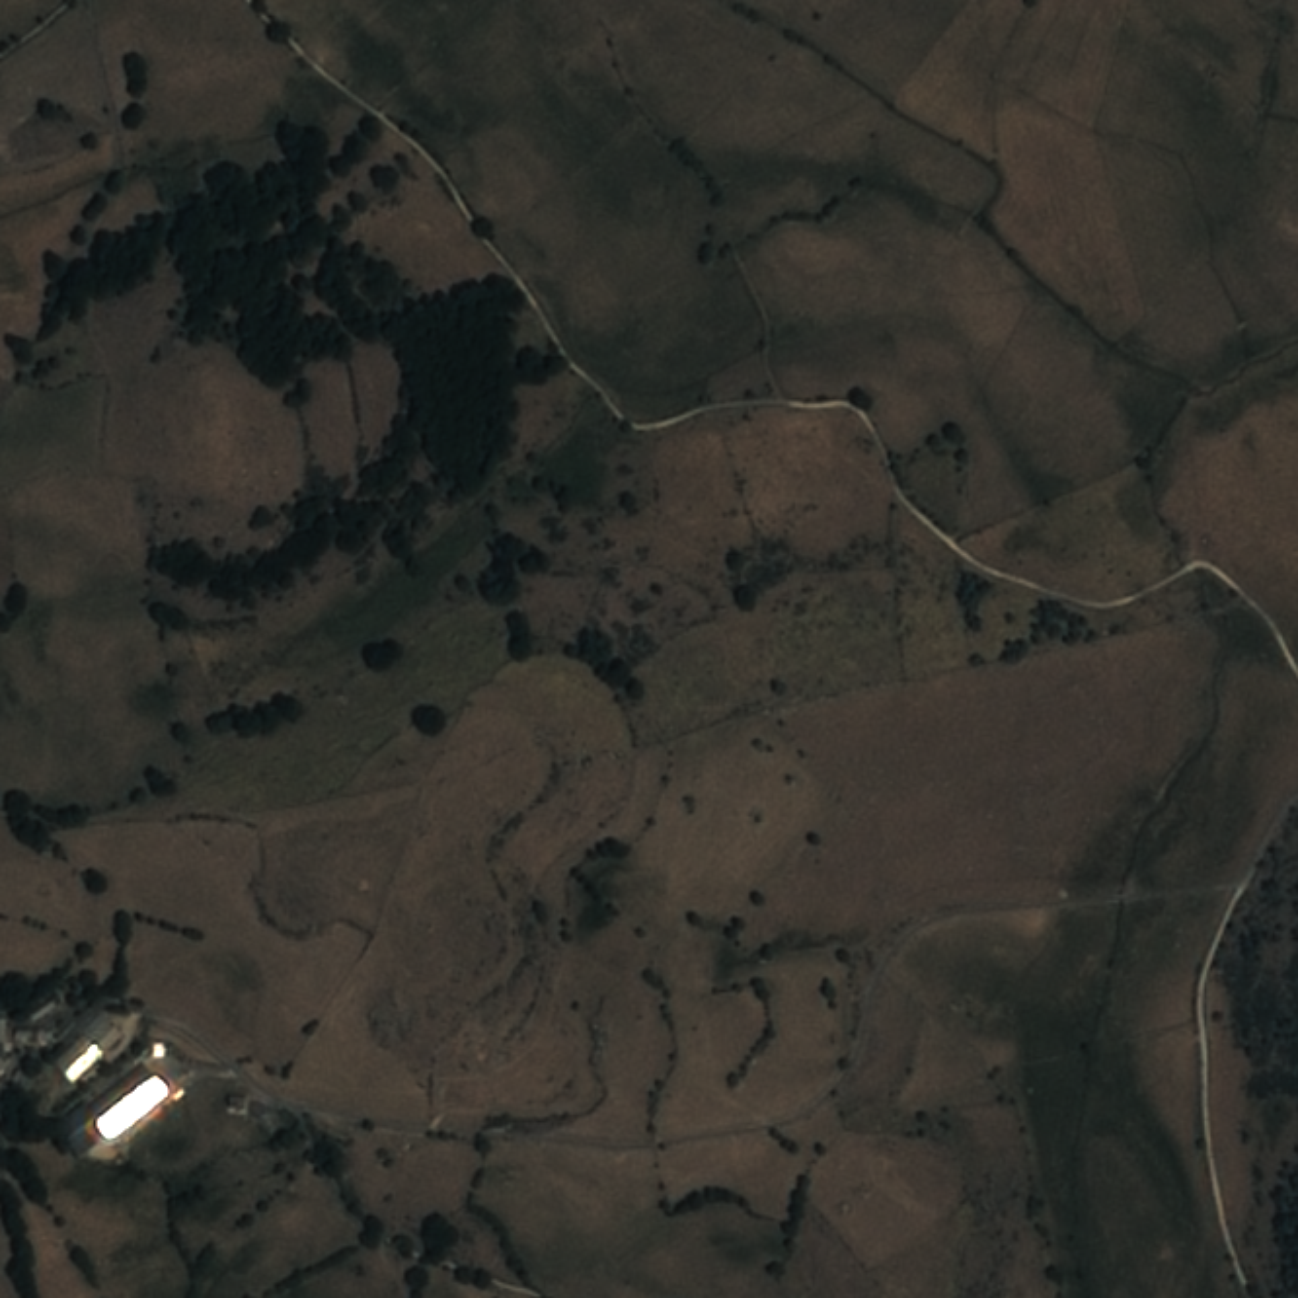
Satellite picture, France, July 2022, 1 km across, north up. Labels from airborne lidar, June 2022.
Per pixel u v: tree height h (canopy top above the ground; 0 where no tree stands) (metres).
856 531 0
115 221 0
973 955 0
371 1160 0
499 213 0
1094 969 0
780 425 0
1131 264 0
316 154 19
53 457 0
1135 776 0
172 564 13
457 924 0
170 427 0
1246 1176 0
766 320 0
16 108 0
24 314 0
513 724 0
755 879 0
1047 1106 0
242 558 7
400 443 11
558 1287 0
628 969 0
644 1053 0
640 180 0
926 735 0
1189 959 0
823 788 0
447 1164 0
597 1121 0
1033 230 0
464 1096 0
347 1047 0
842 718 0
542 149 0
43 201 0
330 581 0
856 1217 0
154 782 13
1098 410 0
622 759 0
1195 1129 0
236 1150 0
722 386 0
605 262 0
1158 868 0
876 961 0
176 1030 0
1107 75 0
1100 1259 0
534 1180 0
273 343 17
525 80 0
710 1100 0
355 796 0
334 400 0
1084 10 0
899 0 0
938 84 0
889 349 0
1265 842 0
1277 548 0
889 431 0
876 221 0
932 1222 0
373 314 16
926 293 0
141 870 0
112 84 0
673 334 0
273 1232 0
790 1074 0
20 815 12
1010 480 0
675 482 0
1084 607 0
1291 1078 0
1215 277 0
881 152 0
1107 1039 0
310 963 0
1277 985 0
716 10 0
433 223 0
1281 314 0
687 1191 0
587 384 0
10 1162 16
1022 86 0
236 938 0
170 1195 7
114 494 0
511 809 0
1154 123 0
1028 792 0
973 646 0
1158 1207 0
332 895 0
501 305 16
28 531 0
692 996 0
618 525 0
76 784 0
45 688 0
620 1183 0
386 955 0
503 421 17
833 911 0
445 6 0
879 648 0
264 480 0
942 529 7
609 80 0
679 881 0
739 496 0
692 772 0
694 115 0
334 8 0
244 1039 0
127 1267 0
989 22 0
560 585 0
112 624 0
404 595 0
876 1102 0
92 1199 0
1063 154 0
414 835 0
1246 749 0
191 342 7
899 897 0
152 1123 0
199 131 0
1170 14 0
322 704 0
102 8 0
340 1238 0
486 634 0
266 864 0
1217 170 0
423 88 0
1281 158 0
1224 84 0
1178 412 0
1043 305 0
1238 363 0
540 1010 0
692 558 0
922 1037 0
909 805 0
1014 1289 0
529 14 0
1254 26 0
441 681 0
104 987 9
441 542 0
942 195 0
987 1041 0
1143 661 0
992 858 0
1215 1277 0
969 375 0
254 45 0
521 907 0
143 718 0
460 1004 0
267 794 0
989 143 0
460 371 22
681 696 0
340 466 0
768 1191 0
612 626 0
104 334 0
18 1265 16
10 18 0
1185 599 0
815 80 0
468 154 0
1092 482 0
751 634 0
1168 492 0
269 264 16
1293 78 0
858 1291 0
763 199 0
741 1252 0
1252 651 0
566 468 0
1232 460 0
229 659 0
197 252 16
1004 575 0
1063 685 0
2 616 11
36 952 0
